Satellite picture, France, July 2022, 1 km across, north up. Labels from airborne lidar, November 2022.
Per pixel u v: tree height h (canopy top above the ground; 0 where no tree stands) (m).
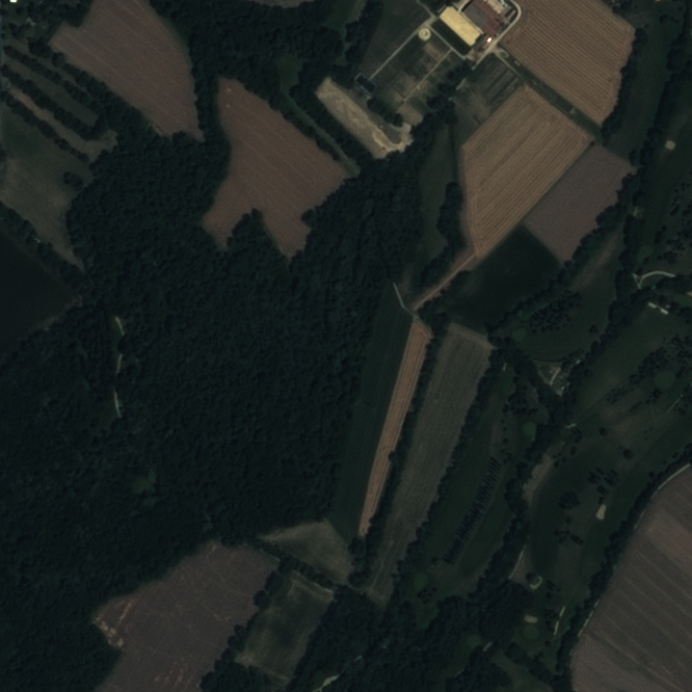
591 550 0
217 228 0
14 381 23
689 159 0
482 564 0
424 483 0
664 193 0
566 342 0
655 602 0
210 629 0
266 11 20
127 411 16
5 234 0
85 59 0
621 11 8
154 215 21
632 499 0
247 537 23
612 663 0
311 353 21
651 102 0
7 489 25
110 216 24
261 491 19
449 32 0
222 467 18
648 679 0
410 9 0
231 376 16
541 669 22
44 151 0
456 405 0
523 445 0
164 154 19
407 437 15
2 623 27
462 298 0
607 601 0
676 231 0
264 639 0
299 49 16
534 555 0
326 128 17
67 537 21
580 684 0
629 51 0
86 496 20
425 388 16
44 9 13
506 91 0
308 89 16
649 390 0
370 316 6
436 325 14
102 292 22
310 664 22
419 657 9
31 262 0
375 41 0
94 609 23
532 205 0
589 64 0
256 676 27
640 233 16
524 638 0
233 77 14
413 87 0
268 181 0
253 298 17
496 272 0
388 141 0
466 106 0
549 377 0
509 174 0
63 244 0
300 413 26
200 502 7
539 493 0
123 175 20
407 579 20
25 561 6
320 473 18
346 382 20
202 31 20
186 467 13
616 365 0
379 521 21
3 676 27
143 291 20
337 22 0
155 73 0
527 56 0
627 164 0
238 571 0
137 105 0
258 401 15
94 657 13
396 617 22
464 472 0
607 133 14
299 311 27
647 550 0
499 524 0
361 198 25
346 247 16
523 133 0
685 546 0
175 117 0
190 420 18
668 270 0
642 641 0
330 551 0
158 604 0
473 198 0
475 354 0
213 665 0
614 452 0
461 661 0
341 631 27
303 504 20
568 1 0
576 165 0
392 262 21
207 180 19
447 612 23
